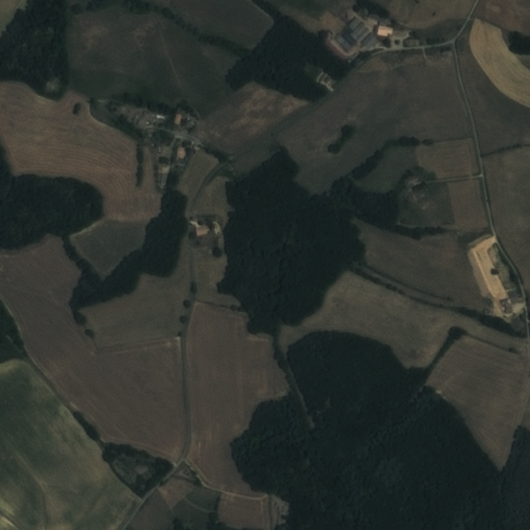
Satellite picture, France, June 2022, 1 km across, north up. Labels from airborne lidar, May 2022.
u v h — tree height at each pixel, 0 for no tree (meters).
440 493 21
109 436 0
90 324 0
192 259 0
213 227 12
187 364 0
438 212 0
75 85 0
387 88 0
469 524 21
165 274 15
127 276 15
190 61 0
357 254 16
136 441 0
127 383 0
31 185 21
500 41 0
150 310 0
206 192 0
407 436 24
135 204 0
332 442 28
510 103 0
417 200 0
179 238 14
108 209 0
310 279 18
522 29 0
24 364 0
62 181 19
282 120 0
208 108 0
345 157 0
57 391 0
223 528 15
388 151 0
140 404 0
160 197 0
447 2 0
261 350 0
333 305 0
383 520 20
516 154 0
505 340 0
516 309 0
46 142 0
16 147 0
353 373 15
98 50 0
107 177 0
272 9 13
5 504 0
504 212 0
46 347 0
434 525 21
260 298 17
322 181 0
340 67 14
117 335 0
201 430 0
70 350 0
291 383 9
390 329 0
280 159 17
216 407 0
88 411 0
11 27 26
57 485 0
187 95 0
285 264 22
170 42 0
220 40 12
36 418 0
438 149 0
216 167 0
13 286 0
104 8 27
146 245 15
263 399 0
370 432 23
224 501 0
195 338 0
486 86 0
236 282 18
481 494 13
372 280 9
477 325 0
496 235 0
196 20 0
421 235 11
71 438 0
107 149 0
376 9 21
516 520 17
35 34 22
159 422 0
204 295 0
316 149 0
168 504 0
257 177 14
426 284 0
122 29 0
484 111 0
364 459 15
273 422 25
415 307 0
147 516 0
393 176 0
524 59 0
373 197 22
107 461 17
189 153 8
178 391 0
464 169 0
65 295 0
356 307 0
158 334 0
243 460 19
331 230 16
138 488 8
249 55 16
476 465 18
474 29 0
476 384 0
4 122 0
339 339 15
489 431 0
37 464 0
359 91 0
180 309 0
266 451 24
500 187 0
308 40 16
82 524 0
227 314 0
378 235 0
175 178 18
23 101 0
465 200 0
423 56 0
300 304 20
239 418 0
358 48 0
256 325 19
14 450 0
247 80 15
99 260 0
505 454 0
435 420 26
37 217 15
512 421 0
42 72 10
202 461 0
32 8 7
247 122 0
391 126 0
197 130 0
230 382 0
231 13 0
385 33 0
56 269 0
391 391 16
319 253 18
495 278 11
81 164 0
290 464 17
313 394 20
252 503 0
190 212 0
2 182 23
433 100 0
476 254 0
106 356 0
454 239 0
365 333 0
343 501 13
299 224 24
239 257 19
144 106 16
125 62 0
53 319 0
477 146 0
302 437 30
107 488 0
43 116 0
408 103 0
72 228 12
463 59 0
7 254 0
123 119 14
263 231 22
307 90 19
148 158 0
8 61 16
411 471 22
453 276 0
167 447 0
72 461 0
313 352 14
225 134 0
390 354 12
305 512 24
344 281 0
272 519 0
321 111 0
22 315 0
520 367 0
